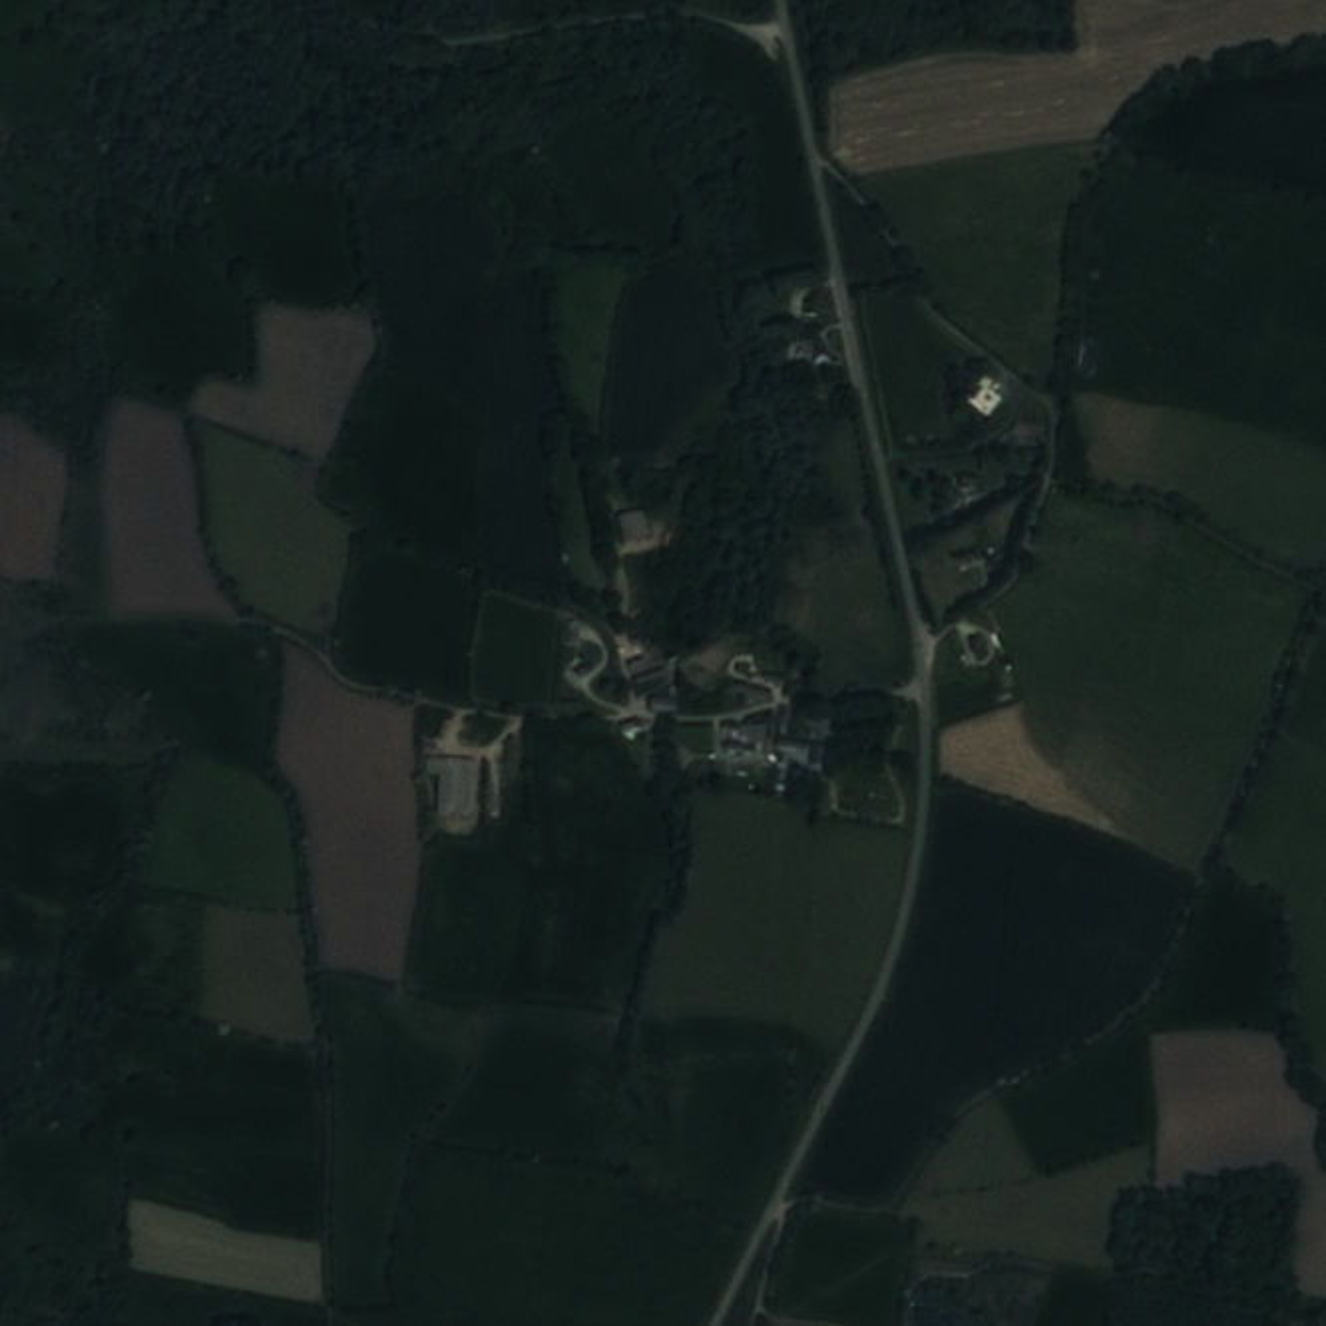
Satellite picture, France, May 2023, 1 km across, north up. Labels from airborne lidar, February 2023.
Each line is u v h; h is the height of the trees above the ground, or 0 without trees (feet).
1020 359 0
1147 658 0
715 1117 0
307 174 46
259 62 86
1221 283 0
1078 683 0
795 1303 0
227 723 0
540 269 43
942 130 0
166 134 56
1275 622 0
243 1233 0
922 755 0
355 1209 0
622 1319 0
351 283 0
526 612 0
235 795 0
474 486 0
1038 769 0
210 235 25
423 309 0
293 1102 0
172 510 0
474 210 0
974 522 46
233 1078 0
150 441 0
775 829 0
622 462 0
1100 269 0
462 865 0
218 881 0
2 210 0
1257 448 0
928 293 34
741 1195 0
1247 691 0
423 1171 0
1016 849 0
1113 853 0
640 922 0
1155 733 0
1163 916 0
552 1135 0
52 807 0
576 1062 0
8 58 0
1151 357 0
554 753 0
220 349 0
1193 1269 29
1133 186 0
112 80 42
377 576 0
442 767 0
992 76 0
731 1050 0
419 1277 0
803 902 0
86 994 19
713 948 0
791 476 65
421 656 0
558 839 0
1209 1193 46
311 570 0
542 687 0
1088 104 0
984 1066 0
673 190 26
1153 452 0
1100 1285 0
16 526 0
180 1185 0
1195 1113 0
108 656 0
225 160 47
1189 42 0
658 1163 0
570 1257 0
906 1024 0
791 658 29
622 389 0
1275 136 0
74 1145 0
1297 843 0
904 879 0
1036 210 0
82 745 0
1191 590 0
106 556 0
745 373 29
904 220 0
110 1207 0
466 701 0
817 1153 0
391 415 0
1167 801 0
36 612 0
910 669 0
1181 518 33
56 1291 31
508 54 31
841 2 29
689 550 26
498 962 0
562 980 0
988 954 0
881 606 0
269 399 0
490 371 0
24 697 0
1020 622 0
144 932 0
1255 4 0
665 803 40
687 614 19
